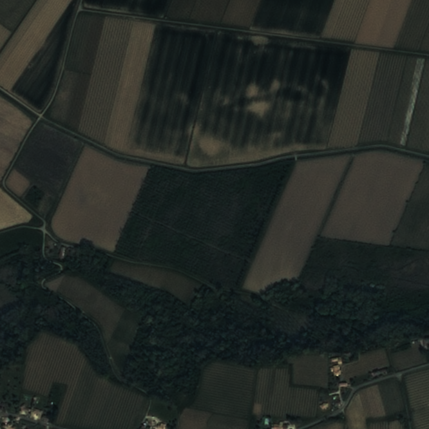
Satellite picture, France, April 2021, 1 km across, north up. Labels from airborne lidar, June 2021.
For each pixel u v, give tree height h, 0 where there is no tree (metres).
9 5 0
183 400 0
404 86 0
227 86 0
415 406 0
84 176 0
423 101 0
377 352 0
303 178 0
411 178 0
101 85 0
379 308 11
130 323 0
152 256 6
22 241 0
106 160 0
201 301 11
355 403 0
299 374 0
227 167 0
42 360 0
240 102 0
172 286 0
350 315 22
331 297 11
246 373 0
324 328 22
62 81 0
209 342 18
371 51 0
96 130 0
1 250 0
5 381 0
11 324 18
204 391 0
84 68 0
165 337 9
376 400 0
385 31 0
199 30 0
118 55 0
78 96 0
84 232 0
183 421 0
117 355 0
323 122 0
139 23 0
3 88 0
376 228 0
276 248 0
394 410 0
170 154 0
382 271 7
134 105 0
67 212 0
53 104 0
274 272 0
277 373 0
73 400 0
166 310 10
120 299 9
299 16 0
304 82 0
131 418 0
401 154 0
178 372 6
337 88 0
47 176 0
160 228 12
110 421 0
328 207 0
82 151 0
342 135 0
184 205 9
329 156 0
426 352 19
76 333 9
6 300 0
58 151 0
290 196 0
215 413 0
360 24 0
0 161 0
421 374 0
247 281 0
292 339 9
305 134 0
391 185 0
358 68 0
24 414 0
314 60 0
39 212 0
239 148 0
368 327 13
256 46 0
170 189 14
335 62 0
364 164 0
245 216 9
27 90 0
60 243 6
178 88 0
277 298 17
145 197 9
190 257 11
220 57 0
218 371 0
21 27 0
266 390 0
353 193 0
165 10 0
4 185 0
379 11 0
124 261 0
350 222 0
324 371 0
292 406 0
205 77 0
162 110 0
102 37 0
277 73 0
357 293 22
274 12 0
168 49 0
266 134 0
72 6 0
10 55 0
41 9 0
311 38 0
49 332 9
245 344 22
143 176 0
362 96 0
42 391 0
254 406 0
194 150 0
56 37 0
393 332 23
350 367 0
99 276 8
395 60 0
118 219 0
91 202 0
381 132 0
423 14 0
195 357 9
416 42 0
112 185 0
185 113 0
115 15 0
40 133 0
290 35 0
